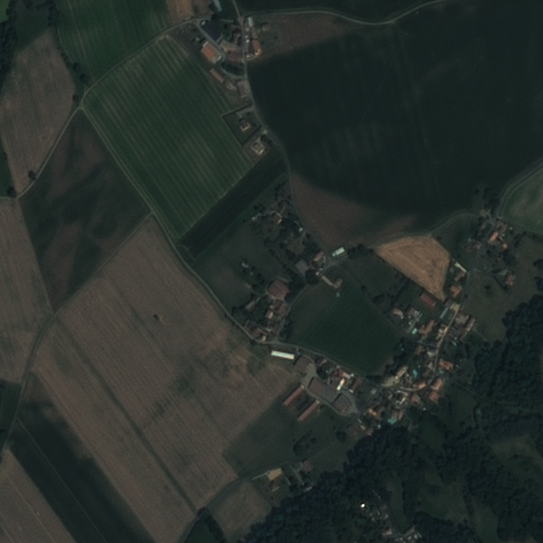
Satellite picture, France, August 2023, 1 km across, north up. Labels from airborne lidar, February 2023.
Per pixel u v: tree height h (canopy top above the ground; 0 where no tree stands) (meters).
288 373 0
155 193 0
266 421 0
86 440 0
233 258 0
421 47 0
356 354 0
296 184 0
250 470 0
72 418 0
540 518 29
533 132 0
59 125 0
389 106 0
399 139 0
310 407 0
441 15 0
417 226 0
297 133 0
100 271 0
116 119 0
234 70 11
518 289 0
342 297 0
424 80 0
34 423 0
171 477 0
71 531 0
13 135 0
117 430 0
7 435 12
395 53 0
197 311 0
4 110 0
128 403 0
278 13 0
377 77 0
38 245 0
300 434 0
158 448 0
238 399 0
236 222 0
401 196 0
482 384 13
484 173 0
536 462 0
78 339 0
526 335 16
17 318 0
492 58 0
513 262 18
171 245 0
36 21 0
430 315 0
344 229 0
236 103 0
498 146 0
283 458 0
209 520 16
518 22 0
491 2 0
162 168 0
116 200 0
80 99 11
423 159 0
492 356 15
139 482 0
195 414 0
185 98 0
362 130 0
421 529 21
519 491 13
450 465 21
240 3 0
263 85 0
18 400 0
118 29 0
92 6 0
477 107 0
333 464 0
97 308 0
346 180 0
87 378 0
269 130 0
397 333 0
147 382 0
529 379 11
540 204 0
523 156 0
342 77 0
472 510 6
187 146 0
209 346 0
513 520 22
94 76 0
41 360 0
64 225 0
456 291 0
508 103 0
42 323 0
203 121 0
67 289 0
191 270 0
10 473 0
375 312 0
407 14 0
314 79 0
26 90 0
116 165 0
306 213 0
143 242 0
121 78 0
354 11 0
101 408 0
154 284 0
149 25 0
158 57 0
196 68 0
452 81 0
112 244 0
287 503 0
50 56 0
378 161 0
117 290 0
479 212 0
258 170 0
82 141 0
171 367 0
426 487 0
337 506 28
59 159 0
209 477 0
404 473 16
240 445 0
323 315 0
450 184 0
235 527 0
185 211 0
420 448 19
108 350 0
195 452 0
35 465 0
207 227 0
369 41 0
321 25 0
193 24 0
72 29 0
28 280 0
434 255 0
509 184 0
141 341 0
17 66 0
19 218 0
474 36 0
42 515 0
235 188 0
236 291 0
